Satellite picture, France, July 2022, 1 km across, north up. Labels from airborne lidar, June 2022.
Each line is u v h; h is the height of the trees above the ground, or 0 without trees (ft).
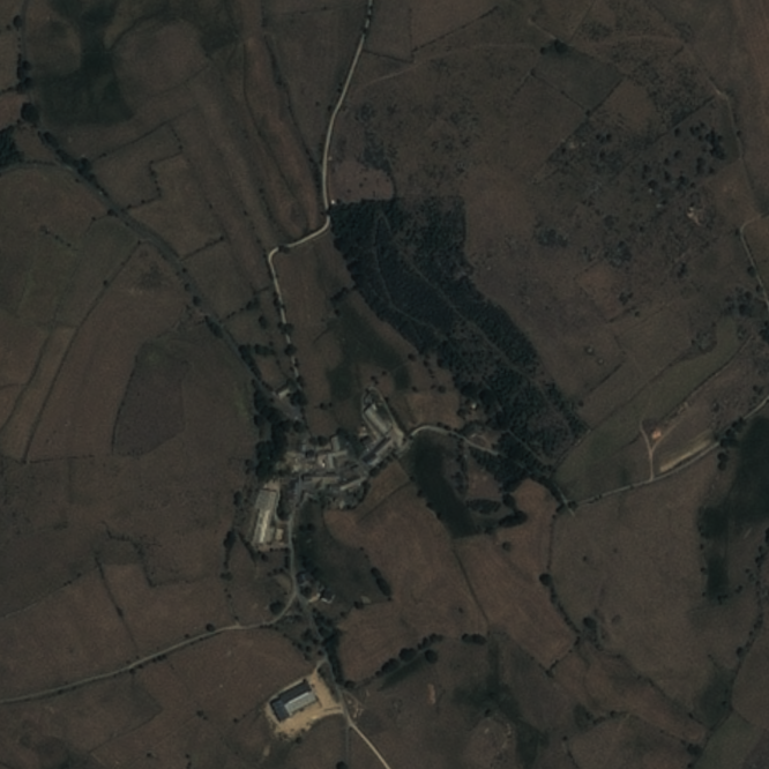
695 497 0
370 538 0
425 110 0
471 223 0
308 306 0
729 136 0
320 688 0
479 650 0
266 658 0
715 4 0
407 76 0
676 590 0
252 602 0
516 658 0
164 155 0
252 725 0
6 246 0
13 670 0
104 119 0
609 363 0
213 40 0
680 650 0
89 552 0
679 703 0
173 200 0
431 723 0
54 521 0
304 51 0
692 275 0
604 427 0
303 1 0
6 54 0
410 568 0
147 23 0
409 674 0
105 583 0
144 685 0
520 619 0
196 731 0
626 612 0
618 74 0
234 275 0
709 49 0
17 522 0
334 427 0
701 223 0
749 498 0
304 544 0
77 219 0
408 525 0
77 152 0
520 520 37
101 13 0
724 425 0
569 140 0
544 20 0
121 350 0
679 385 0
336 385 0
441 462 0
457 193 0
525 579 0
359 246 35
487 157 0
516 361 31
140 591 0
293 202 0
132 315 0
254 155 0
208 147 0
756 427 0
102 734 0
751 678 0
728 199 0
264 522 0
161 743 0
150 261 0
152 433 0
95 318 0
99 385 0
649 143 0
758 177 0
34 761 0
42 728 0
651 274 0
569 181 0
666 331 0
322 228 0
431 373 25
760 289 31
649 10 0
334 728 0
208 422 0
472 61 0
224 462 0
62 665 0
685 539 0
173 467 0
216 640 0
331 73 0
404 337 18
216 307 0
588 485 0
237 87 0
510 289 0
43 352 0
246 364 26
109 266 0
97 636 0
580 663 0
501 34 0
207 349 0
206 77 0
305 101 0
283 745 0
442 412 0
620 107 0
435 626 0
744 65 0
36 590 0
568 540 0
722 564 0
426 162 0
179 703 0
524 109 0
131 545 0
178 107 0
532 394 30
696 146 0
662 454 0
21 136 0
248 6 0
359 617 0
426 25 0
